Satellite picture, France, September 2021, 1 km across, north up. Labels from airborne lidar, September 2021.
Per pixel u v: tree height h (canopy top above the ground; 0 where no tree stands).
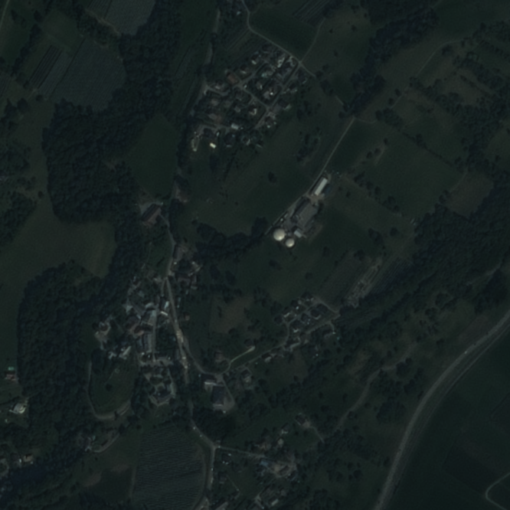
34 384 24
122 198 12
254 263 0
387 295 17
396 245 0
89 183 34
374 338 18
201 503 0
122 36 0
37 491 20
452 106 13
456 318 0
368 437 0
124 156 8
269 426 0
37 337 27
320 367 15
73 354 30
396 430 0
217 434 15
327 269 0
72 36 0
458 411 0
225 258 16
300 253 0
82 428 7
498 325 0
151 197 0
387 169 0
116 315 10
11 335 0
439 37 0
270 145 0
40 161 0
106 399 0
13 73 10
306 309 0
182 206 14
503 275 19
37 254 0
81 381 18
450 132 0
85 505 30
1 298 0
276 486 7
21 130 0
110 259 0
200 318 0
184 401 8
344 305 6
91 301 9
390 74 0
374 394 0
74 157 30
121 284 31
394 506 0
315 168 0
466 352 0
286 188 0
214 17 0
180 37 11
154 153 0
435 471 0
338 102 0
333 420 15
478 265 36
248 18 0
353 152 0
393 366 0
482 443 0
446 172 0
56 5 20
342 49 0
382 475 0
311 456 12
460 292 25
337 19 0
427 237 15
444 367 0
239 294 11
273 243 0
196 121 13
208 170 0
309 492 10
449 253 27
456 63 10
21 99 0
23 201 15
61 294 25
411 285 21
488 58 0
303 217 0
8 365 0
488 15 0
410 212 0
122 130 34
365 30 0
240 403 6
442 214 15
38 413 28
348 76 0
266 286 0
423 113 0
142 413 19
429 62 0
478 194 0
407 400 0
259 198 0
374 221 0
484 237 21
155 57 28
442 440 0
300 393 17
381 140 0
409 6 31
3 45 0
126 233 15
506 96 25
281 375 0
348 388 0
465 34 0
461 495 0
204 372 0
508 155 0
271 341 12
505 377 0
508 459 0
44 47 0
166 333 10
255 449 15
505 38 7
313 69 0
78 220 26
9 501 15
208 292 12
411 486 0
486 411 0
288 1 0
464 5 0
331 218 0
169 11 24
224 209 0
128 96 22
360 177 8
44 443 23
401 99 0
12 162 11
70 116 29
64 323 37
